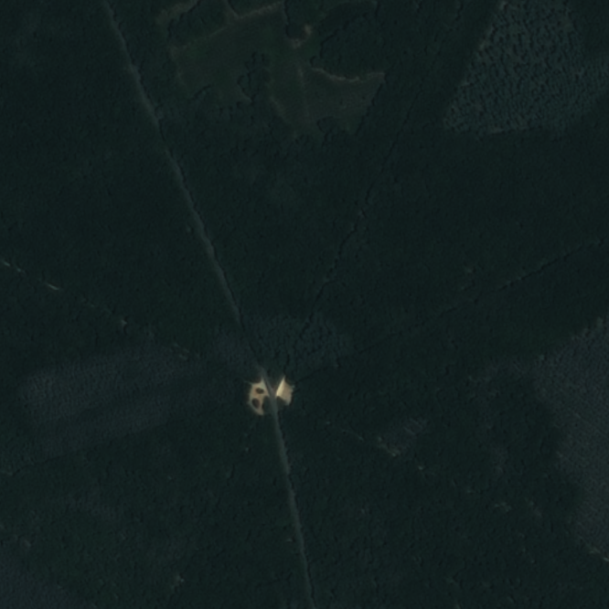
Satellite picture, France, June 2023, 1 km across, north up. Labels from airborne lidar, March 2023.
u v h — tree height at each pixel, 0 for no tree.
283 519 26
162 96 26
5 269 25
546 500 27
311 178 30
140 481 21
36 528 16
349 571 25
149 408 22
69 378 23
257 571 27
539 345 24
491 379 20
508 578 25
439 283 27
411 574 26
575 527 19
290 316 26
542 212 33
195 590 21
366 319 26
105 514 22
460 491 18
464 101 25
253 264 24
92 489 20
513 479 24
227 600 25
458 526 24
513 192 30
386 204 30
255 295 26
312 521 28
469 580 24
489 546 24
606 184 29
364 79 8
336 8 17
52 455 16
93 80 27
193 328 22
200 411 19
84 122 27
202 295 23
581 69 31
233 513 26
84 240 25
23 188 28
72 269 27
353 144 26
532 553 25
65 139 29
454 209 30
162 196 28
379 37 27
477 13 24
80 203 28
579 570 22
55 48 28
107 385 18
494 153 28
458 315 25
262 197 31
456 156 29
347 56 30
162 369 19
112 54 25
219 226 26
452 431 23
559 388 20
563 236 28
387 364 29
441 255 30
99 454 21
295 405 19
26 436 20
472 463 24
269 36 0
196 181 26
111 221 28
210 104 24
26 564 22
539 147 30
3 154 25
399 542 24
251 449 20
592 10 26
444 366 27
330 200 31
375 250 30
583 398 17
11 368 23
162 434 21
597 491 16
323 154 25
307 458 20
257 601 23
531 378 13
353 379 29
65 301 28
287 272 29
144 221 27
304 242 27
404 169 26
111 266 24
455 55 25
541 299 28
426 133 24
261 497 26
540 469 26
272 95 8
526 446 27
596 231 25
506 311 27
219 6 26
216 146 29
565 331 25
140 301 27
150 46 29
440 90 25
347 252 27
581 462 18
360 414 20
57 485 22
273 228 30
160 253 25
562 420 22
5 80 25
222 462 21
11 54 25
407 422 22
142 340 25
